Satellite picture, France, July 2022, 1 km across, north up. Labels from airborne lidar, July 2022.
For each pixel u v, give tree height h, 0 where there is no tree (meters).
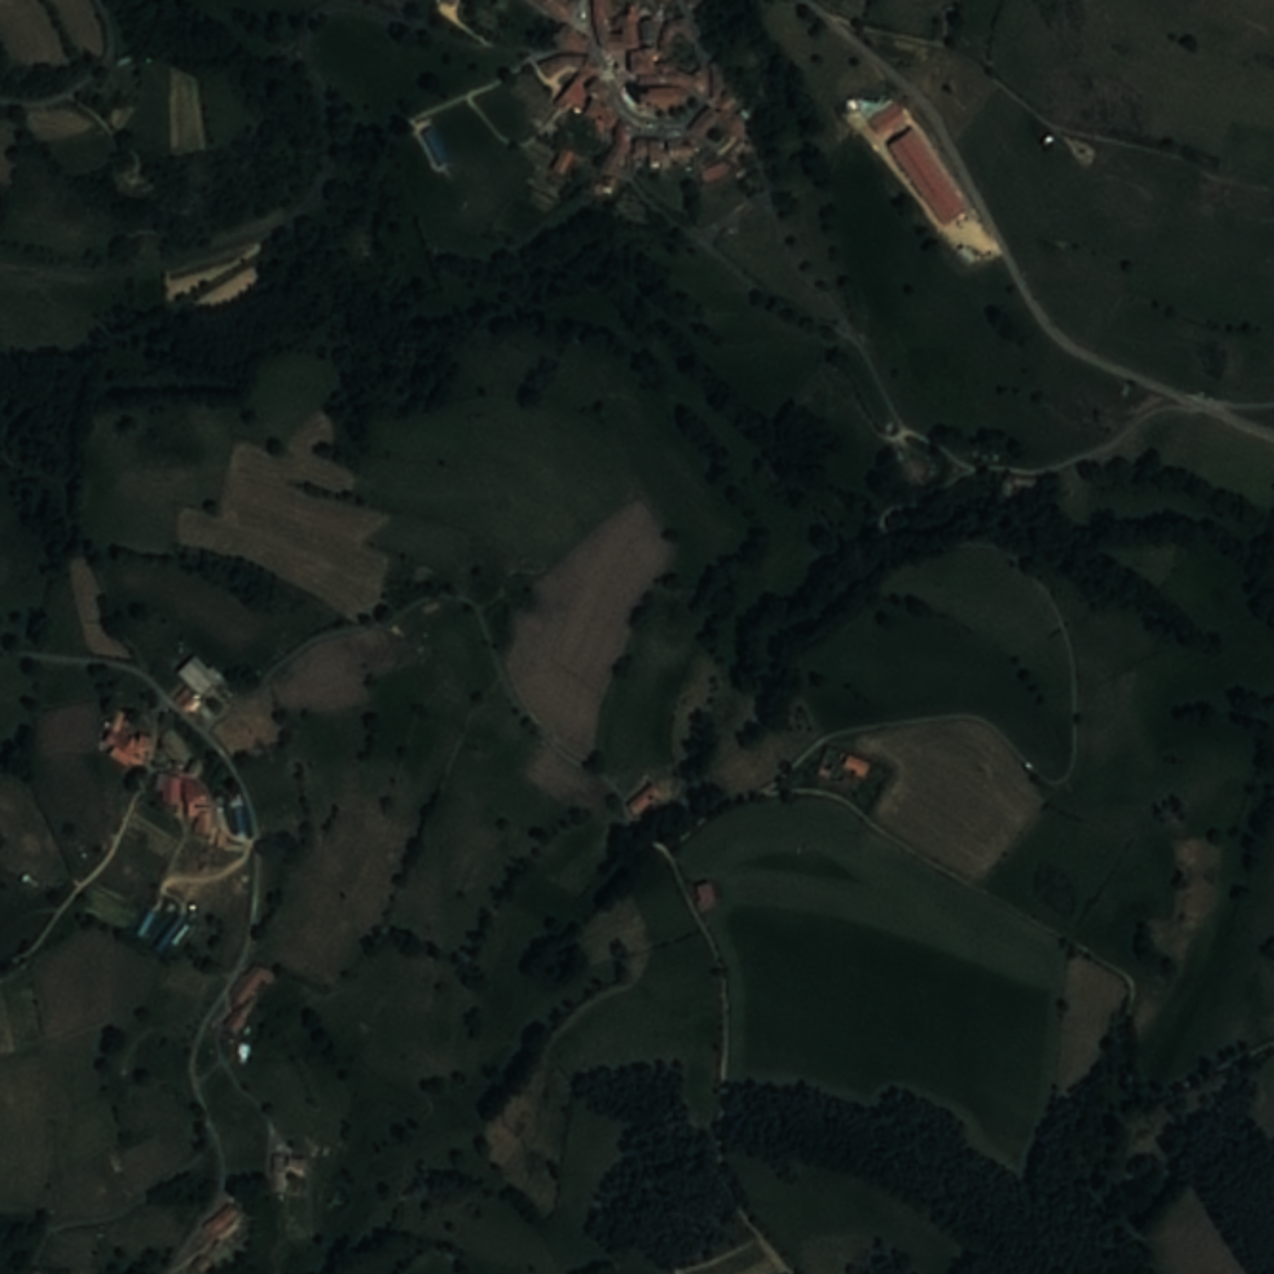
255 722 0
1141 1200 24
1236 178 0
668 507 0
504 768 0
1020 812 0
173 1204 9
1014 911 0
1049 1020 0
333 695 0
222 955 0
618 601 0
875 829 0
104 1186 0
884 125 0
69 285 0
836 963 0
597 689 0
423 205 0
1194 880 0
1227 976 0
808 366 0
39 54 0
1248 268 0
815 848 0
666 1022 0
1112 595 16
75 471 8
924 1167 19
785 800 11
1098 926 0
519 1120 0
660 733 0
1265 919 0
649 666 0
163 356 13
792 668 14
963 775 0
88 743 0
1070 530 21
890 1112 15
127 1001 0
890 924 0
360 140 19
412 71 0
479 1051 0
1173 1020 0
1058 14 0
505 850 0
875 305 0
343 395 7
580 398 0
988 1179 20
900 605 13
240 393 18
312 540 0
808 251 0
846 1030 0
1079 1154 22
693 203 15
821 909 0
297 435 0
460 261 16
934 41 0
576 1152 0
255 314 23
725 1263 0
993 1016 0
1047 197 0
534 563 0
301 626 0
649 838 18
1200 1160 19
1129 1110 14
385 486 0
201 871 0
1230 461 0
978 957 0
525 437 0
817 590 25
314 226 11
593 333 24
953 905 0
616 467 0
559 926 13
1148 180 0
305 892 0
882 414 0
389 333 22
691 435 14
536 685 0
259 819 0
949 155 0
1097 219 0
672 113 8
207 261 0
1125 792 0
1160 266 0
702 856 0
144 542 0
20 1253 7
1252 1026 0
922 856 0
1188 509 0
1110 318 0
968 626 0
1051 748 0
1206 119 0
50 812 0
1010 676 0
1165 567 0
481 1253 0
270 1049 0
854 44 0
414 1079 0
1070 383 0
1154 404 0
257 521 0
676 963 0
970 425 0
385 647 0
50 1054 0
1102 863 0
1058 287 0
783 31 0
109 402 16
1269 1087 0
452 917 0
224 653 0
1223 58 0
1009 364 0
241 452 0
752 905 0
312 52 0
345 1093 0
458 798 0
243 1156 0
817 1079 0
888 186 0
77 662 0
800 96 25
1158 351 0
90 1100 0
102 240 0
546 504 0
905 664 0
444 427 0
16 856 0
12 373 21
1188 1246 0
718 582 18
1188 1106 10
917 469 0
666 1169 19
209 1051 0
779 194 6
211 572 8
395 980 0
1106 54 0
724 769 0
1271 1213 19
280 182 13
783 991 0
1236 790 0
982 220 0
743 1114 17
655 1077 12
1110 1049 17
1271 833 21
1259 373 0
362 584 0
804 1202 0
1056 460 0
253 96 8
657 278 12
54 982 0
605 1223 11
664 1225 12
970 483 7
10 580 0
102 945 0
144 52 7
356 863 0
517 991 0
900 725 0
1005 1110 0
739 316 0
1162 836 0
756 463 8
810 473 30
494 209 0
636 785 0
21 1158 0
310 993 0
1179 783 0
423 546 0
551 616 0
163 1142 0
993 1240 23
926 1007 0
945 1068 0
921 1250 0
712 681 8
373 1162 0
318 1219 0
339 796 0
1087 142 0
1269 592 22
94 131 0
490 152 0
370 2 8
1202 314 0
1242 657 0
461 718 0
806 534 0
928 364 0
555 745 0
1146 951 15
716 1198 18
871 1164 14
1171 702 0
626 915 0
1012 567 7
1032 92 0
